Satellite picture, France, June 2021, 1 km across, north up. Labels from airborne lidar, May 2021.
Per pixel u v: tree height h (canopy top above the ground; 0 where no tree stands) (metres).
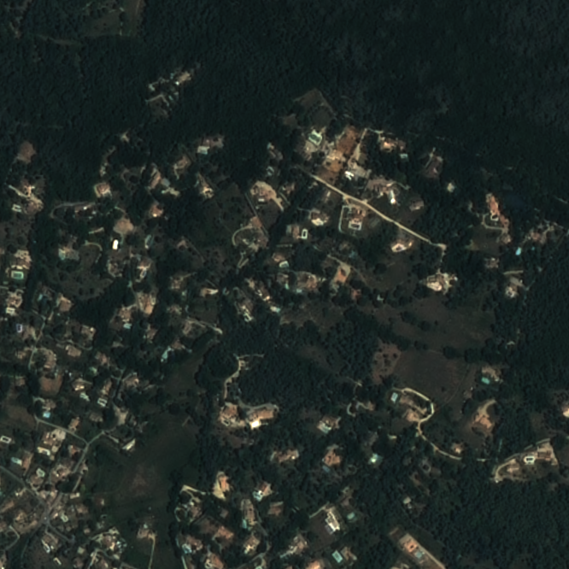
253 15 13
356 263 5
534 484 18
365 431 12
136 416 10
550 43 10
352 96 17
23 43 18
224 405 8
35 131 10
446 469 13
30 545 10
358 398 9
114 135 16
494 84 12
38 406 10
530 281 14
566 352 14
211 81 18
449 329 0
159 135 19
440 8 14
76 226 13
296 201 14
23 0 16
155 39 18
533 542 20
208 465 16
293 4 16
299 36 10
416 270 13
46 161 17
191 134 18
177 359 20
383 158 15
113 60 18
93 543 13
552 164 15
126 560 6
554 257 13
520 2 15
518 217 14
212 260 7
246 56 13
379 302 12
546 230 8
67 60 17
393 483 13
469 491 17
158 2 17
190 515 6
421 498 18
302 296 13
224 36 14
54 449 0
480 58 13
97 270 10
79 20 19
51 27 22
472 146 14
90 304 19
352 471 6
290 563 14
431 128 16
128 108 18
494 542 17
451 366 0
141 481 0
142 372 18
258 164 15
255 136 18
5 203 13
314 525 0
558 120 18
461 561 7
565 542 22
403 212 0
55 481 0
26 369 8
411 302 11
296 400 13
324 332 0
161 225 12
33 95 14
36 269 16
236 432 8
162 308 15
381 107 16
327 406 6
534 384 15
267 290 12
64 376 10
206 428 9
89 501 10
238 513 12
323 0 16
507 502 19
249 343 16
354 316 17
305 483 15
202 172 14
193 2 17
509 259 16
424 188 13
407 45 15
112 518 0
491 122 17
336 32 15
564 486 14
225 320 16
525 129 15
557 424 12
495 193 8
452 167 14
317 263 10
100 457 14
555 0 20
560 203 15
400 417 10
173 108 12
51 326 6
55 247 11
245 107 14
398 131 14
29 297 17
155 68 16
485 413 0
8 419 0
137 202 17
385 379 8
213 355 19
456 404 0
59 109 13
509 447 18
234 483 18
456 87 12
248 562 12
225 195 0
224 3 16
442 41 13
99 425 12
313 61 17
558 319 13
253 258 15
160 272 11
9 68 17
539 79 10
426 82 15
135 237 12
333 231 12
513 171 11
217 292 6
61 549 13
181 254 9
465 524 21
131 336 14
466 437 0
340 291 12
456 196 17
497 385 7
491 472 14
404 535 0
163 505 0
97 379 17
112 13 0
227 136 14
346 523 11
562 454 0
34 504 7
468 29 9
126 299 18
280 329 11
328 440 14
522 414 22
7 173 8
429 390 0
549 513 22
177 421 0
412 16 21
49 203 12
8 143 23
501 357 16
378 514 17
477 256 19
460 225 23
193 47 16
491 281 19
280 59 8
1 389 13
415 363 0
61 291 8
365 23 14
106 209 13
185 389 0
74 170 11
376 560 12
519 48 18
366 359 11
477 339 0
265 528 22
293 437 13
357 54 23
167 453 0
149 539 0
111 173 16
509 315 14
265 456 15
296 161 17
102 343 15
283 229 15
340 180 9
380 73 14
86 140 16
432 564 0
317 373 12
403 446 16
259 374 14
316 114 6
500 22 11
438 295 8
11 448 13
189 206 13
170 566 0
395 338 13
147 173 14
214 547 6
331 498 14
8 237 11
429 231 19
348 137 0
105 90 16
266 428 18
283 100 16
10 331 12
